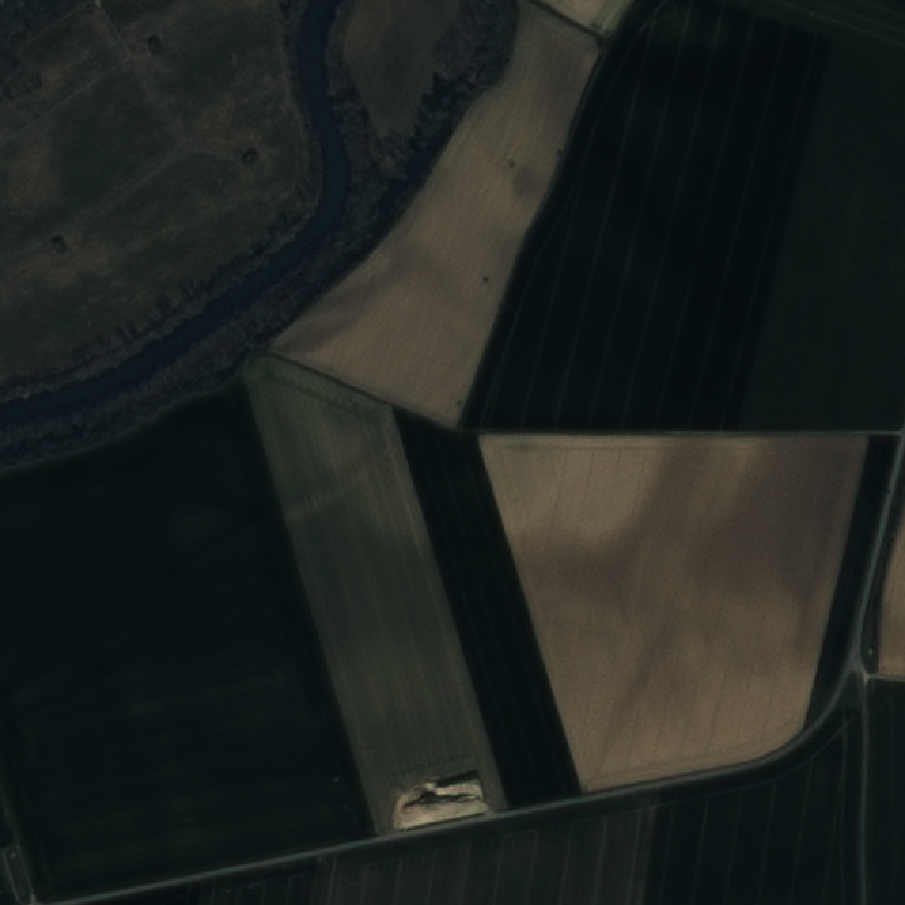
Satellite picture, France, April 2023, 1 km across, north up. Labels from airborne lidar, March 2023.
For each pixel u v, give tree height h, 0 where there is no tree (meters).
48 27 9
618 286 0
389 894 0
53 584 0
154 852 0
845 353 0
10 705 0
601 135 0
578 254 0
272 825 0
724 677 0
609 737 0
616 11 0
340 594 0
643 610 0
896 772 0
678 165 0
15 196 0
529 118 0
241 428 0
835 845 0
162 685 0
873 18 0
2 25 39
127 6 0
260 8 0
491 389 0
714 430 0
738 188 0
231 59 0
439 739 0
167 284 0
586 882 0
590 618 0
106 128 0
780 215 0
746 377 0
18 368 0
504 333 0
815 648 0
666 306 0
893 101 0
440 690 0
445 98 20
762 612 0
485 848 0
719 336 0
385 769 0
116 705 0
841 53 0
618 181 0
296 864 0
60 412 6
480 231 0
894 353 0
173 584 0
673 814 0
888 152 0
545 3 0
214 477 0
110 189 0
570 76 0
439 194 0
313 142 9
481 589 0
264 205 0
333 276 12
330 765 0
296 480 0
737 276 0
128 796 0
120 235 0
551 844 0
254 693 0
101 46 0
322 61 0
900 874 0
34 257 0
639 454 0
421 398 0
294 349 0
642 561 0
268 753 0
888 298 0
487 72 22
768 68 0
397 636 0
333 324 0
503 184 0
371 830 0
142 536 0
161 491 0
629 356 0
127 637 0
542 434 0
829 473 0
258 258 13
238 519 0
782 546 0
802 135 0
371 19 0
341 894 0
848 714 0
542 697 0
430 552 0
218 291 13
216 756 0
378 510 0
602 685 0
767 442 0
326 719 0
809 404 0
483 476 0
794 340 0
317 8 0
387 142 0
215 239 0
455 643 0
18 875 0
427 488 0
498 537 0
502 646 0
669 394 0
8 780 0
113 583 0
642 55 0
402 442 0
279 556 0
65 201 0
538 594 0
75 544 0
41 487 0
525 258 0
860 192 0
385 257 0
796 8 0
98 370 13
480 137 0
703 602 0
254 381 0
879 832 0
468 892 0
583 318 0
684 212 0
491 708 0
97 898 0
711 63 0
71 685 0
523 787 0
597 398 0
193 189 0
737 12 0
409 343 0
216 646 0
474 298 0
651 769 0
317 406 0
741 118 0
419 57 0
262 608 0
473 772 0
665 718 0
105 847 0
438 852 0
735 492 0
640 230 0
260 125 0
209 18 0
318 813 0
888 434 0
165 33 0
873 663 0
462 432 0
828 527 0
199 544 0
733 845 0
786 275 0
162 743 0
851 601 0
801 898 0
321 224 0
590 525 0
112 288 0
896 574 0
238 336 26
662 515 0
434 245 0
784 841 0
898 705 0
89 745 0
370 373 0
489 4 30
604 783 0
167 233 0
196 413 0
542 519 0
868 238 0
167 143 0
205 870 0
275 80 0
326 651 0
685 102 0
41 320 0
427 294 0
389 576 0
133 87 0
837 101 0
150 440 0
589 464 0
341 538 0
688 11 0
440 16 0
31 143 0
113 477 0
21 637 0
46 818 0
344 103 20
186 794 0
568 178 0
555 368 0
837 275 0
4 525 0
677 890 0
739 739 0
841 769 0
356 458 0
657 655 0
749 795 0
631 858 0
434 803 0
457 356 0
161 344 0
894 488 0
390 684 0
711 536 0
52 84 0
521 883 0
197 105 0
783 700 0
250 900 0
